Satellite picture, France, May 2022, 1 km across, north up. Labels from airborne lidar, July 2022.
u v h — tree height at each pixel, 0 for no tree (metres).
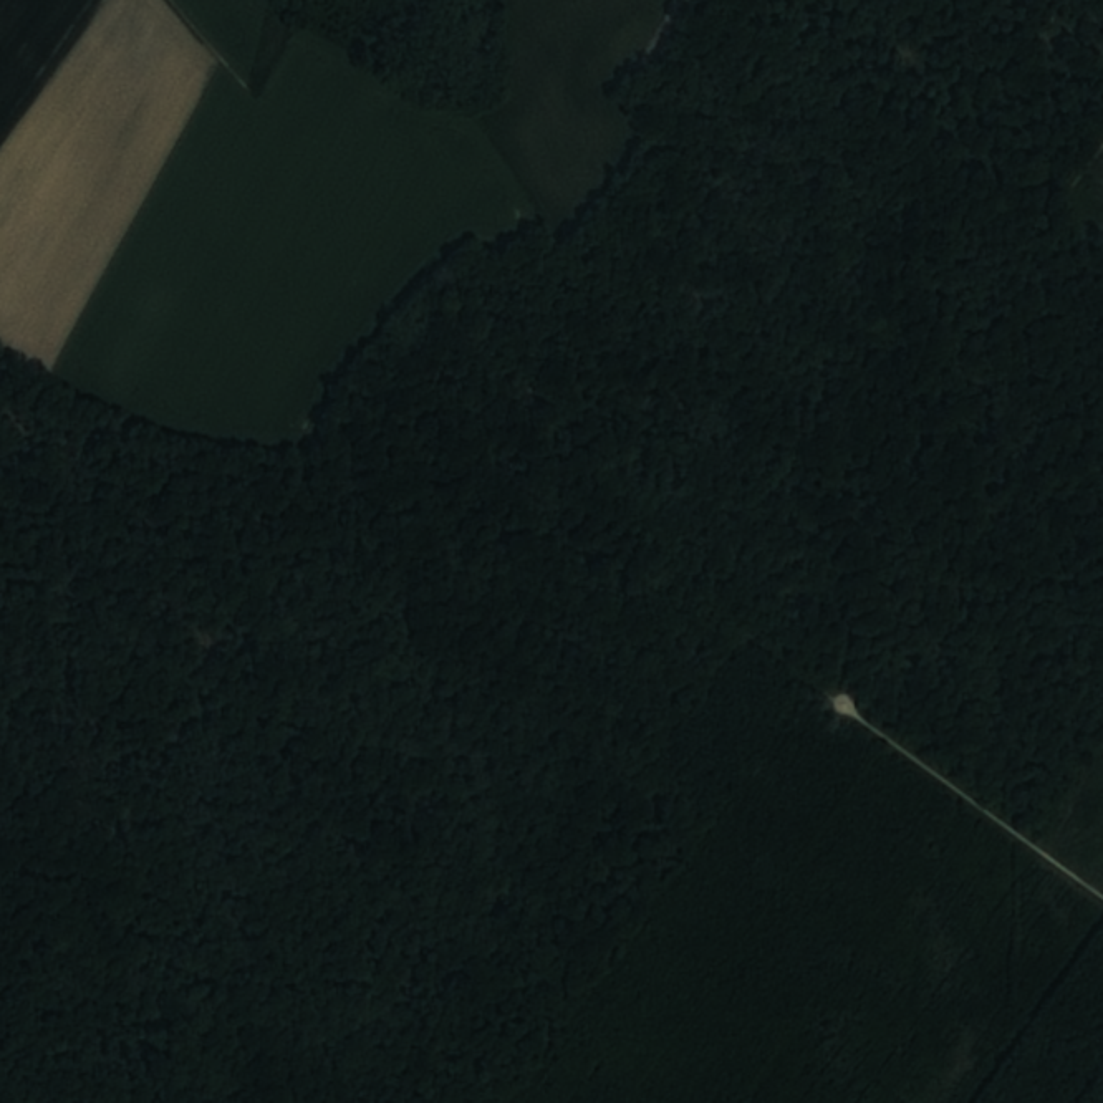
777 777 14
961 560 28
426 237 0
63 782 29
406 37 22
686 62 22
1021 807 24
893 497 31
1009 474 29
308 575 25
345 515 29
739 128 24
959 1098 6
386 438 29
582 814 27
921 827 10
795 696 17
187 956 27
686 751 22
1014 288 26
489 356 22
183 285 0
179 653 26
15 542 25
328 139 0
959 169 28
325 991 27
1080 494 27
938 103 22
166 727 19
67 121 0
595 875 21
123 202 0
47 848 30
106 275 0
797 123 17
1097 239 29
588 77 0
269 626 28
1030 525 28
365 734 24
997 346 29
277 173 0
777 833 15
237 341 0
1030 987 7
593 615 29
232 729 27
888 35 21
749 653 21
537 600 29
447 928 23
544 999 23
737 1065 13
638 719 21
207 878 27
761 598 28
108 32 0
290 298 0
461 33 29
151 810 24
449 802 23
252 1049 28
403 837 28
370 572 30
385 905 26
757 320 24
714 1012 12
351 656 22
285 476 30
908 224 29
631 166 16
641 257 24
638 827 28
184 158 0
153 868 23
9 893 25
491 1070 25
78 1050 23
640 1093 11
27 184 0
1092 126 22
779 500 28
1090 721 27
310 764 14
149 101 0
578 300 26
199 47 0
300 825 23
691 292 18
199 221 0
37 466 30
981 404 27
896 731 27
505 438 29
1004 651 25
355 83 0
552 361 31
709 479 22
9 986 24
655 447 27
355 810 27
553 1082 12
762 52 21
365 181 0
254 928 26
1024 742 25
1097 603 29
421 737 22
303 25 24
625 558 24
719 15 28
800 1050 6
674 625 26
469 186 0
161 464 25
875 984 6
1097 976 17
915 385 26
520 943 23
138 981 28
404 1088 26
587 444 22
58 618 26
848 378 25
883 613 29
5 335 0
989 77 25
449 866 25
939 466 28
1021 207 24
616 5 0
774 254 21
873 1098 6
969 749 27
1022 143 24
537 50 0
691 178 23
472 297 30
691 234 25
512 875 24
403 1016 26
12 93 0
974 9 26
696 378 26
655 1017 12
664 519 28
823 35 22
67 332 0
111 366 0
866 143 30
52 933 29
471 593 26
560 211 0
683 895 11
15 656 18
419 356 33
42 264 0
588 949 30
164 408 0
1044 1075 19
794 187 24
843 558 29
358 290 0
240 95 0
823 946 13
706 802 20
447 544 24
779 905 11
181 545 28
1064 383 28
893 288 30
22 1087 31
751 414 29
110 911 26
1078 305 29
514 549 30
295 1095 27
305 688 28
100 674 23
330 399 12
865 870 12
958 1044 6
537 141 0
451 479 26
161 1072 28
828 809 16
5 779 22
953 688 24
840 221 22
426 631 30
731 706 24
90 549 27
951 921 8
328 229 0
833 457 19
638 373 30
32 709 13
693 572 24
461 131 0
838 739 15
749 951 11
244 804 10
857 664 27
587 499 30
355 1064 28
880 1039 6
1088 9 29
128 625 26
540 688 23
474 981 25
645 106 28
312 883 27
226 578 30
